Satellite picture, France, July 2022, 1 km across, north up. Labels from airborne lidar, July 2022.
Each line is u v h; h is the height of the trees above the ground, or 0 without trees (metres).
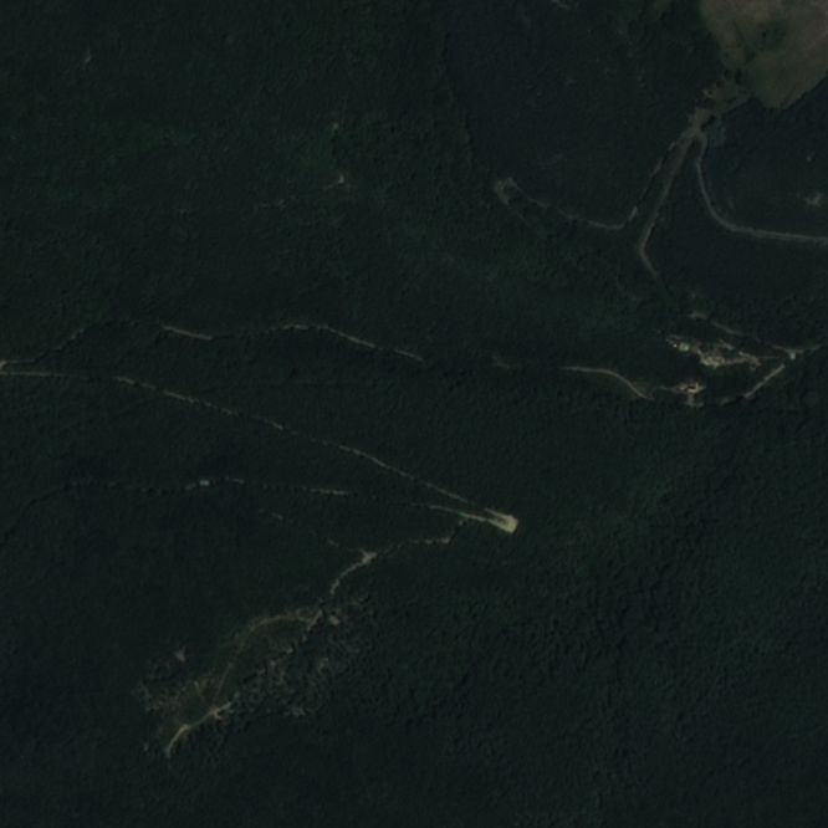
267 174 16
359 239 18
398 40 14
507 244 18
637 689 11
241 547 14
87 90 12
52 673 13
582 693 19
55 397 13
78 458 15
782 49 0
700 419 19
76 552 10
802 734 9
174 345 22
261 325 10
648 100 7
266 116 14
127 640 12
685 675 11
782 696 18
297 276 18
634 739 13
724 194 6
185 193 17
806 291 14
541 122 9
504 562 16
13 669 11
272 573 13
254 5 16
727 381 16
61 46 7
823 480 12
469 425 14
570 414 21
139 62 8
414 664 10
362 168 19
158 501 17
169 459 16
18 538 14
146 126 12
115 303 19
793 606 10
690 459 14
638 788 15
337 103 15
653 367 14
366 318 17
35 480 17
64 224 14
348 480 16
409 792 15
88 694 11
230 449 17
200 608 14
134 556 19
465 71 9
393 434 16
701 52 20
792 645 19
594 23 11
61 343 12
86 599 14
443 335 21
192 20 16
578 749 12
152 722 16
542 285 14
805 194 6
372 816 17
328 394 15
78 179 14
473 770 18
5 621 11
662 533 23
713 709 16
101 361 18
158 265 18
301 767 14
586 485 13
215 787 16
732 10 0
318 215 15
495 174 12
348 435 14
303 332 14
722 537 16
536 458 15
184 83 9
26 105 14
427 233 14
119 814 9
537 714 17
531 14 8
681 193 9
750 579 8
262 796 10
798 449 11
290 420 15
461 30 10
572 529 14
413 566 13
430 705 10
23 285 23
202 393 10
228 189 11
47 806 9
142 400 10
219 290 18
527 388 17
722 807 14
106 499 17
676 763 16
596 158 8
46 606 13
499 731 19
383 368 13
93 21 18
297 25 19
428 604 24
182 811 15
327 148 18
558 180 10
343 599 18
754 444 17
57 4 12
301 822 10
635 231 11
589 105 10
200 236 14
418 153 19
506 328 14
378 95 23
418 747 21
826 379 18
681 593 13
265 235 17
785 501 14
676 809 13
